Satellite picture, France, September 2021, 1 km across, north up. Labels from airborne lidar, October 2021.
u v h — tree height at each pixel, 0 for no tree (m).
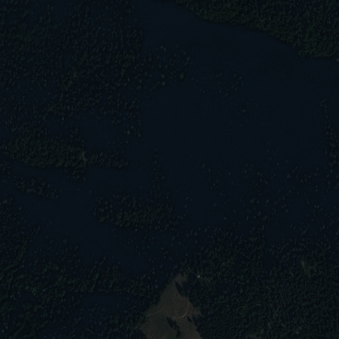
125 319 30
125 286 15
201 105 20
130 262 14
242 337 16
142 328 0
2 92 23
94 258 16
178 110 16
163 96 25
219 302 6
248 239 29
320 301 12
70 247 27
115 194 20
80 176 32
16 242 24
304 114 22
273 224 9
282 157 28
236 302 9
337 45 15
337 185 29
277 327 14
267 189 16
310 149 20
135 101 31
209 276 9
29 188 29
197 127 23
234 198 23
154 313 0
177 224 15
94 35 39
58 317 21
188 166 31
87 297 12
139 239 20
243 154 22
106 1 25
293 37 13
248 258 14
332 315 12
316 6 13
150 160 13
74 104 21
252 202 26
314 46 15
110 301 20
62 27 28
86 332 28
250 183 19
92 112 20
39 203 26
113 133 21
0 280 9
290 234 11
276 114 25
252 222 12
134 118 20
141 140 26
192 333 0
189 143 19
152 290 12
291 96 30
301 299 16
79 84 16
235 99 21
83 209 32
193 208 12
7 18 26
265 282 10
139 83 32
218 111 19
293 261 13
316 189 16
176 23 10
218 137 24
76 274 16
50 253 25
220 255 11
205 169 18
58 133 24
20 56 35
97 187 10
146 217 27
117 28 28
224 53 12
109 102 21
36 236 18
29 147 34
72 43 27
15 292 13
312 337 19
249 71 15
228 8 7
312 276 18
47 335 27
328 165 21
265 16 26
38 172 14
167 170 27
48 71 33
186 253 8
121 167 29
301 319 9
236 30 15
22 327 18
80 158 14
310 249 17
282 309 13
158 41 9
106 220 21
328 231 12
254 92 19
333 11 15
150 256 23
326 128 10
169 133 20
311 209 9
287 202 6
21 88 10
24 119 30
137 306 16
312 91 18
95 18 24
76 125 24
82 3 35
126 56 29
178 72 14
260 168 13
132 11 20
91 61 33
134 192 29
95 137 19
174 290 0
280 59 17
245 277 8
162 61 29
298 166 16
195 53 12
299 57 9
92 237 28
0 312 12
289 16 20
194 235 39
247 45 7
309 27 14
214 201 15
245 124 13
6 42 28
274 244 9
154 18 26
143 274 18
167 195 10
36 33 32
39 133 28
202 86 23
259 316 27
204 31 10
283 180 15
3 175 16
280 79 33
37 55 27
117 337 19
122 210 17
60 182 21
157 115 26
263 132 18
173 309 0
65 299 11
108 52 33
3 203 26
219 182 12
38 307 23
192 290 21
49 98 14
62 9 16
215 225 17
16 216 23
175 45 32
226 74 22
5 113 23
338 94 20
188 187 20
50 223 22
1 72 28
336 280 8
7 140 26
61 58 31
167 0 24
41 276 12
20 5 30
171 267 7
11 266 14
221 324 22
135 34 31
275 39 20
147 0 26
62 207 16
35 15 29
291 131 13
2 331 15
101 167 24
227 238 11
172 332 0
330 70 10
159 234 16
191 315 0
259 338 9
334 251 9
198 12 23
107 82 25
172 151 28
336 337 23
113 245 15
